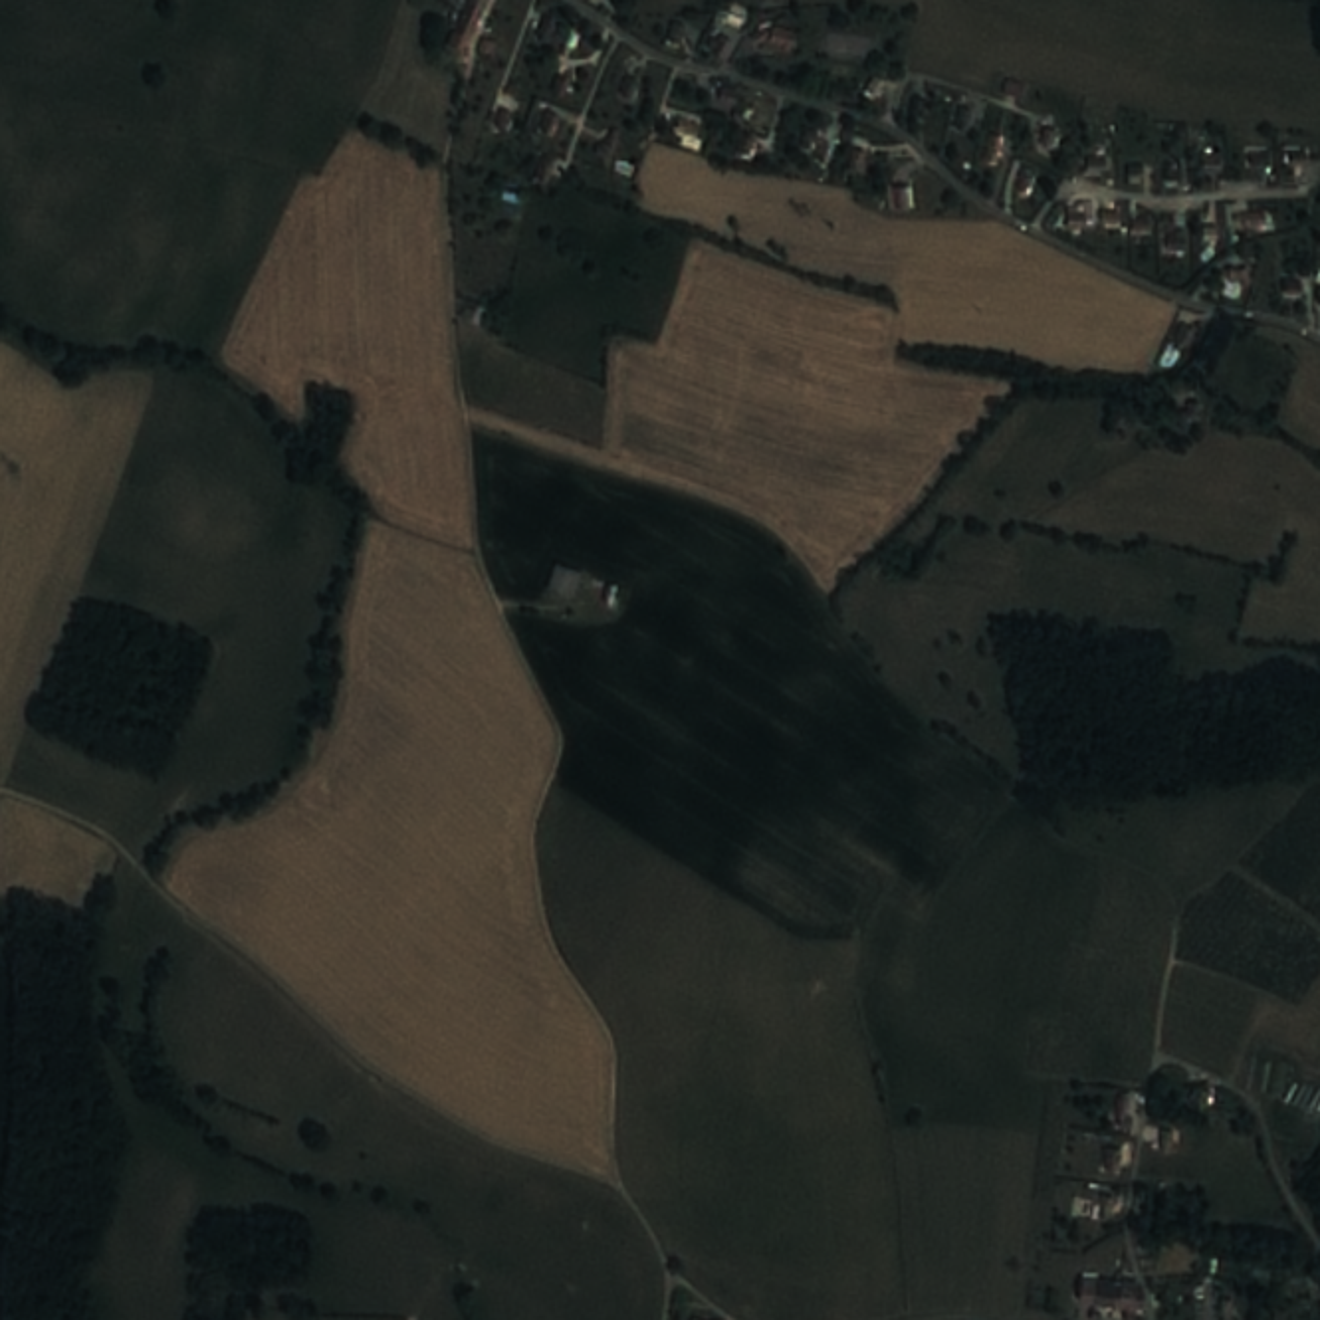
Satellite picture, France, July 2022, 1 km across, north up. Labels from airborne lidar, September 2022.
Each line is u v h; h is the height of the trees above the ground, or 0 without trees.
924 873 0
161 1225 0
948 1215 0
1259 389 0
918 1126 10
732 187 0
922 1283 0
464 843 0
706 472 0
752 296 0
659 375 0
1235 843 0
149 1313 0
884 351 0
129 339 0
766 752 0
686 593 0
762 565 0
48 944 13
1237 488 0
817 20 0
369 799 0
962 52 0
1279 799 0
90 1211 23
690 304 0
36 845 0
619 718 0
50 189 0
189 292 0
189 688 13
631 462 0
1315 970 0
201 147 0
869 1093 0
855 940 0
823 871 0
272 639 0
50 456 0
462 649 0
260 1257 14
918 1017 0
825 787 0
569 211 0
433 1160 0
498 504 0
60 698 10
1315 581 0
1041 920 0
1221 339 27
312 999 0
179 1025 0
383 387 0
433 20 13
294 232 0
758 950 0
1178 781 14
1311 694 26
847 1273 0
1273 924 0
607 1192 0
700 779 0
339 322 0
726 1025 0
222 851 0
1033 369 14
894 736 0
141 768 14
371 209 0
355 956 0
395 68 0
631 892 0
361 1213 0
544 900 0
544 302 0
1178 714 26
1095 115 0
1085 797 18
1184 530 0
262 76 0
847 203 0
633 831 0
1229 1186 0
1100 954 0
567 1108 0
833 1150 0
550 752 0
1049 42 0
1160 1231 13
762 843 0
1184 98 0
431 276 0
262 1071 0
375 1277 0
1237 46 0
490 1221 0
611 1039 0
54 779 0
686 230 7
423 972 0
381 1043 0
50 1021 25
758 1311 0
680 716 0
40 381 0
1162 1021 0
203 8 0
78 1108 26
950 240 0
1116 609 0
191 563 0
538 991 0
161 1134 0
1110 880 0
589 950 0
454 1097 0
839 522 0
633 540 0
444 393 0
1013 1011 0
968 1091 0
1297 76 0
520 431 0
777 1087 0
